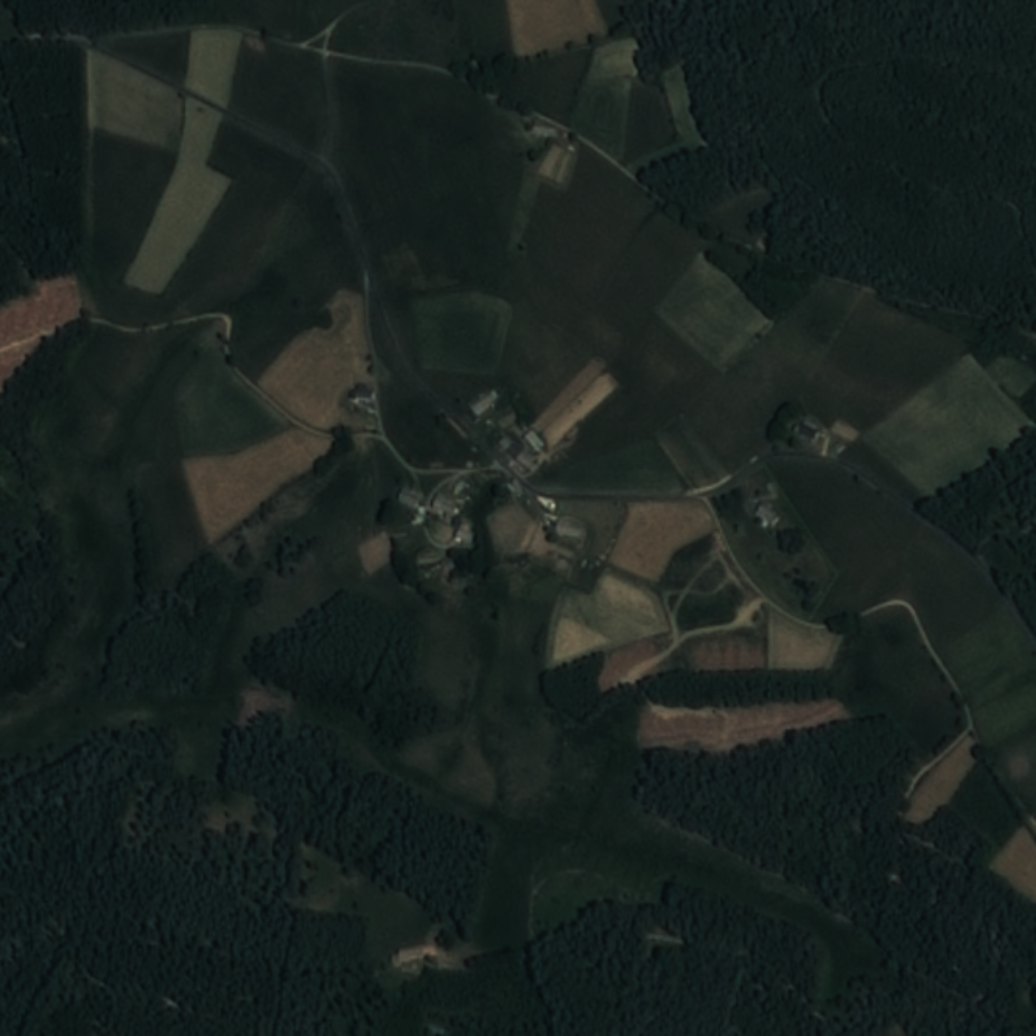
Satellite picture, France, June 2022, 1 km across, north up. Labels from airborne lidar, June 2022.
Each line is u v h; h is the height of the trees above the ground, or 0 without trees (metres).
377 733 10
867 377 0
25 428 17
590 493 0
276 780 24
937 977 23
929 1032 21
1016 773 0
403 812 27
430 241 0
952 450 0
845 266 15
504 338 0
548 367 0
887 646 0
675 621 0
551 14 0
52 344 23
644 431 0
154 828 14
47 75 22
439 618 0
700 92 22
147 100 0
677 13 17
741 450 0
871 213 13
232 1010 20
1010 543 29
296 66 0
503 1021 7
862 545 0
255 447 0
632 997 15
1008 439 0
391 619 17
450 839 27
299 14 0
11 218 24
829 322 0
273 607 0
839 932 0
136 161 0
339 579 0
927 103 18
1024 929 22
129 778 7
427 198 0
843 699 15
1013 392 0
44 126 20
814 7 13
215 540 0
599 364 0
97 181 0
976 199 13
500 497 13
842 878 19
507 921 0
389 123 0
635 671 0
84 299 0
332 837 27
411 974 0
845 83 12
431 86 0
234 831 11
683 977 30
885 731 24
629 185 0
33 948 15
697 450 0
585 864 0
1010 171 16
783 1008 20
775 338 0
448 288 0
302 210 0
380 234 0
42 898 18
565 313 0
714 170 23
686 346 0
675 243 0
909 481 0
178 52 0
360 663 26
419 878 26
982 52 16
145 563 17
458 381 0
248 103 0
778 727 0
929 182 13
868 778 24
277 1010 21
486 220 0
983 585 0
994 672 0
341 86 0
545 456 0
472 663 0
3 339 0
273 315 0
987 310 19
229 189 0
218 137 0
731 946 19
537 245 0
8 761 12
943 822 17
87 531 0
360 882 0
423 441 0
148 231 0
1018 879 0
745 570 0
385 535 0
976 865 24
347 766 13
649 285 0
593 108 0
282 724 28
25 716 0
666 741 0
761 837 18
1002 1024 25
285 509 0
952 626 0
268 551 0
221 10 0
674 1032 20
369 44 0
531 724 0
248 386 0
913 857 22
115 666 14
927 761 0
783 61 12
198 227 0
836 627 17
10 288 25
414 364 0
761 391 0
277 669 16
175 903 26
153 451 0
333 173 0
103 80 0
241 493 0
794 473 0
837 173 17
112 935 16
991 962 22
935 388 0
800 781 19
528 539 0
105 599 0
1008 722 0
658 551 0
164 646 24
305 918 30
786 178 14
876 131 16
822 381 0
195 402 0
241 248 0
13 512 0
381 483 0
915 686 0
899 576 0
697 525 0
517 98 7
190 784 17
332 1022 24
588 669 15
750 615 0
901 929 25
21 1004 19
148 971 19
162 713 0
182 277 0
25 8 23
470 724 0
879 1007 16
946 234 12
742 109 15
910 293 14
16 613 21
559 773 0
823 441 0
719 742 0
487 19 0
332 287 0
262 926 28
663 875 0
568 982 29
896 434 0
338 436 12
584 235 0
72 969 26
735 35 19
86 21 18
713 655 0
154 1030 23
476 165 0
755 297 17
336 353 0
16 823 24
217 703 0
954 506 30
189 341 0
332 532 0
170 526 0
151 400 0
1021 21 13
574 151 0
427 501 0
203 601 15
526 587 0
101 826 21
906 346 0
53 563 21
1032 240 11
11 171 24
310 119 0
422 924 0
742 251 10
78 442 0
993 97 19
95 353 0
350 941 30
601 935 14
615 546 0
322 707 6
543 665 0
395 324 0
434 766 0
